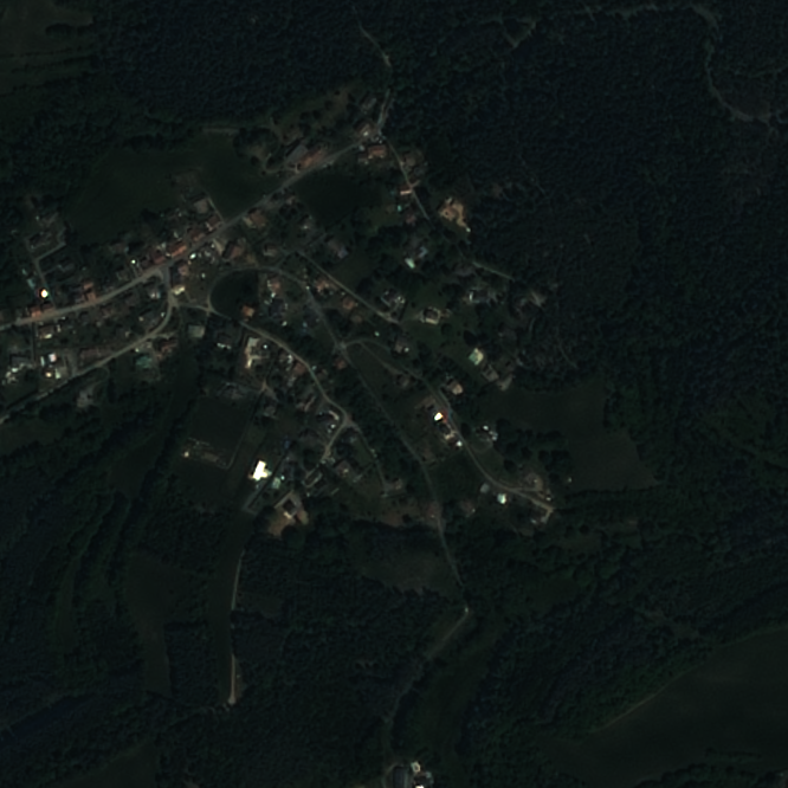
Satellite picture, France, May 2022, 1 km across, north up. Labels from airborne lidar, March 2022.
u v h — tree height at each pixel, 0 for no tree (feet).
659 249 56
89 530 61
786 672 0
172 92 82
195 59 83
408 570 0
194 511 39
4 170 92
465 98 34
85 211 0
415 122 77
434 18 93
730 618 28
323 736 52
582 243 33
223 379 45
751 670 0
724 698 0
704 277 66
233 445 0
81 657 52
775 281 101
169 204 0
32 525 80
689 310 68
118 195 0
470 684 0
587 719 36
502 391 0
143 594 0
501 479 0
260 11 97
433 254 0
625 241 41
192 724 44
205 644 46
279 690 43
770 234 77
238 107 85
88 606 20
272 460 0
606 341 46
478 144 87
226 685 0
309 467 30
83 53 26
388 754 0
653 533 81
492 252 30
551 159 99
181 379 0
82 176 75
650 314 76
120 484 0
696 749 0
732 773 36
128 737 71
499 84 90
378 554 71
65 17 0
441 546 27
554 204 32
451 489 0
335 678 54
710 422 0
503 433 63
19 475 74
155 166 0
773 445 60
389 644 51
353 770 46
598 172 94
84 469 70
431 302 0
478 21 66
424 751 61
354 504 0
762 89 37
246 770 57
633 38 86
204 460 0
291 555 39
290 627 55
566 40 103
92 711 81
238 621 52
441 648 0
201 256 0
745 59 62
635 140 91
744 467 99
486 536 20
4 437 0
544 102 111
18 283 49
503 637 0
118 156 0
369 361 0
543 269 36
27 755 87
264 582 33
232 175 0
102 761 60
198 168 0
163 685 0
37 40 0
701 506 20
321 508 61
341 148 0
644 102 85
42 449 53
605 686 59
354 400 27
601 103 83
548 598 0
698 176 87
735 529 99
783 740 0
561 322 22
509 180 73
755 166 95
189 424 18
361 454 0
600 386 0
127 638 40
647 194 98
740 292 60
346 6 86
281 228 19
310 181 0
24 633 67
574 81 107
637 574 67
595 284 34
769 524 96
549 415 0
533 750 29
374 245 43
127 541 69
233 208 0
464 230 0
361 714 35
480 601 89
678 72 85
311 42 94
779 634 0
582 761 0
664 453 50
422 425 0
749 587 20
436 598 56
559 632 64
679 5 75
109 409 0
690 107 60
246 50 100
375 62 87
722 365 85
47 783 75
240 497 0
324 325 0
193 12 91
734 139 92
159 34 104
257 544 45
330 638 57
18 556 72
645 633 70
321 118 38
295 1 107
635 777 0
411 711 90
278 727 49
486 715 95
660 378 73
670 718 0
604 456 0
